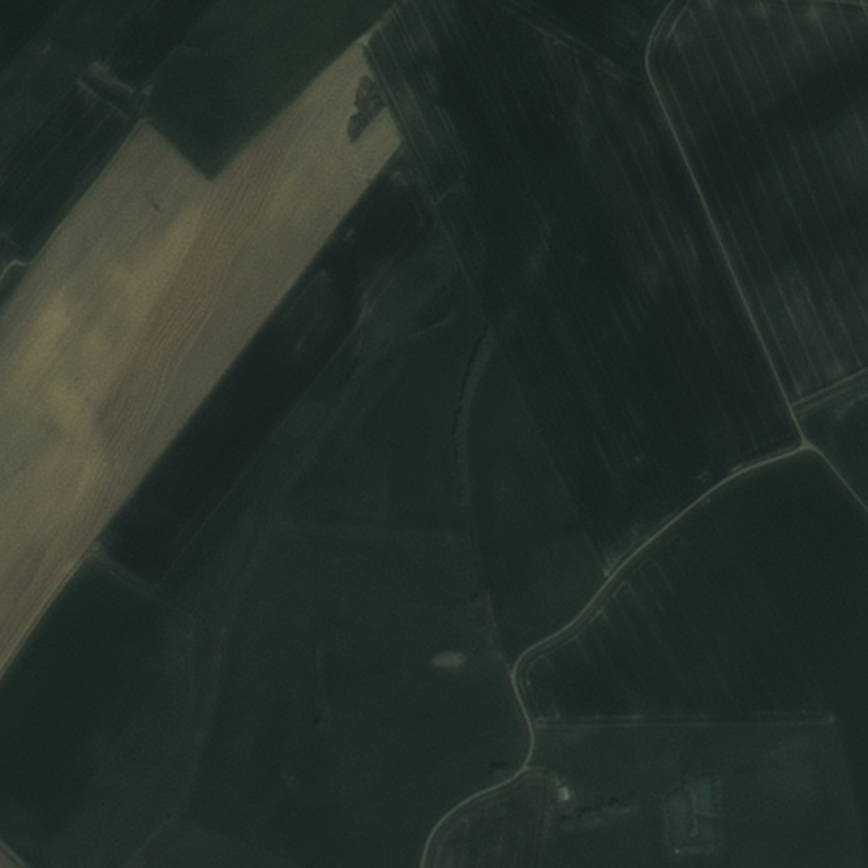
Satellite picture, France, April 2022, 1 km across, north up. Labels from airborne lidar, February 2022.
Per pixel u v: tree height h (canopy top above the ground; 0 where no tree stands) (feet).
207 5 0
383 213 0
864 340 0
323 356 0
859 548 0
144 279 0
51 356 0
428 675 0
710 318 0
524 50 0
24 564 0
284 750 0
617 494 0
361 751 0
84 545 0
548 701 0
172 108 0
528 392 0
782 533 0
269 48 0
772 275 0
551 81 0
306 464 0
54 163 0
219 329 0
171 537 0
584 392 0
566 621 0
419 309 0
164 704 0
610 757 0
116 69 0
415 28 0
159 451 0
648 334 0
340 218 0
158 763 0
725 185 0
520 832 0
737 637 0
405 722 0
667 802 0
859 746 0
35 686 0
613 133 0
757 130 0
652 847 0
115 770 0
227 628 0
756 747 0
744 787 0
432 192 0
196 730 0
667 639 0
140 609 0
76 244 0
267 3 0
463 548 0
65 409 0
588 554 0
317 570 0
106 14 0
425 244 0
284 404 0
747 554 0
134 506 0
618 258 0
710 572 0
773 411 0
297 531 0
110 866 0
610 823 42
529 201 0
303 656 0
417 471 0
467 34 0
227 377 0
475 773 0
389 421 0
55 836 0
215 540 0
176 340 0
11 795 0
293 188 0
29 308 0
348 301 0
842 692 0
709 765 0
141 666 0
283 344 0
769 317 0
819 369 0
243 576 0
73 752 0
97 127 0
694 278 0
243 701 0
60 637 0
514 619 0
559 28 0
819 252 0
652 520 0
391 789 0
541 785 0
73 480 0
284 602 0
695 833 47
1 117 0
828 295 0
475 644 0
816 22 0
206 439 0
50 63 0
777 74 0
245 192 0
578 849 0
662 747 0
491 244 0
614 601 0
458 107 0
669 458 0
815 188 0
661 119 0
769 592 0
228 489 0
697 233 0
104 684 0
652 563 0
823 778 0
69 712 0
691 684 0
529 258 0
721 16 0
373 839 0
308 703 0
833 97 0
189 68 0
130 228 0
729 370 0
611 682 0
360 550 0
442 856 0
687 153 0
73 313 0
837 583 0
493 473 0
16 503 0
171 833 0
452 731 0
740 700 0
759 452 0
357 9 0
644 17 0
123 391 0
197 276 0
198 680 0
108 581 0
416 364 0
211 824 0
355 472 0
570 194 0
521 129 0
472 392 28
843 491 0
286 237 0
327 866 0
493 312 0
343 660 0
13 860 0
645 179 0
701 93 0
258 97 0
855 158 0
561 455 0
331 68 0
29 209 0
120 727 0
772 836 0
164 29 0
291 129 0
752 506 0
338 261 0
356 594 0
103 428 0
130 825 0
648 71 0
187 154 0
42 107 0
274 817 0
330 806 0
